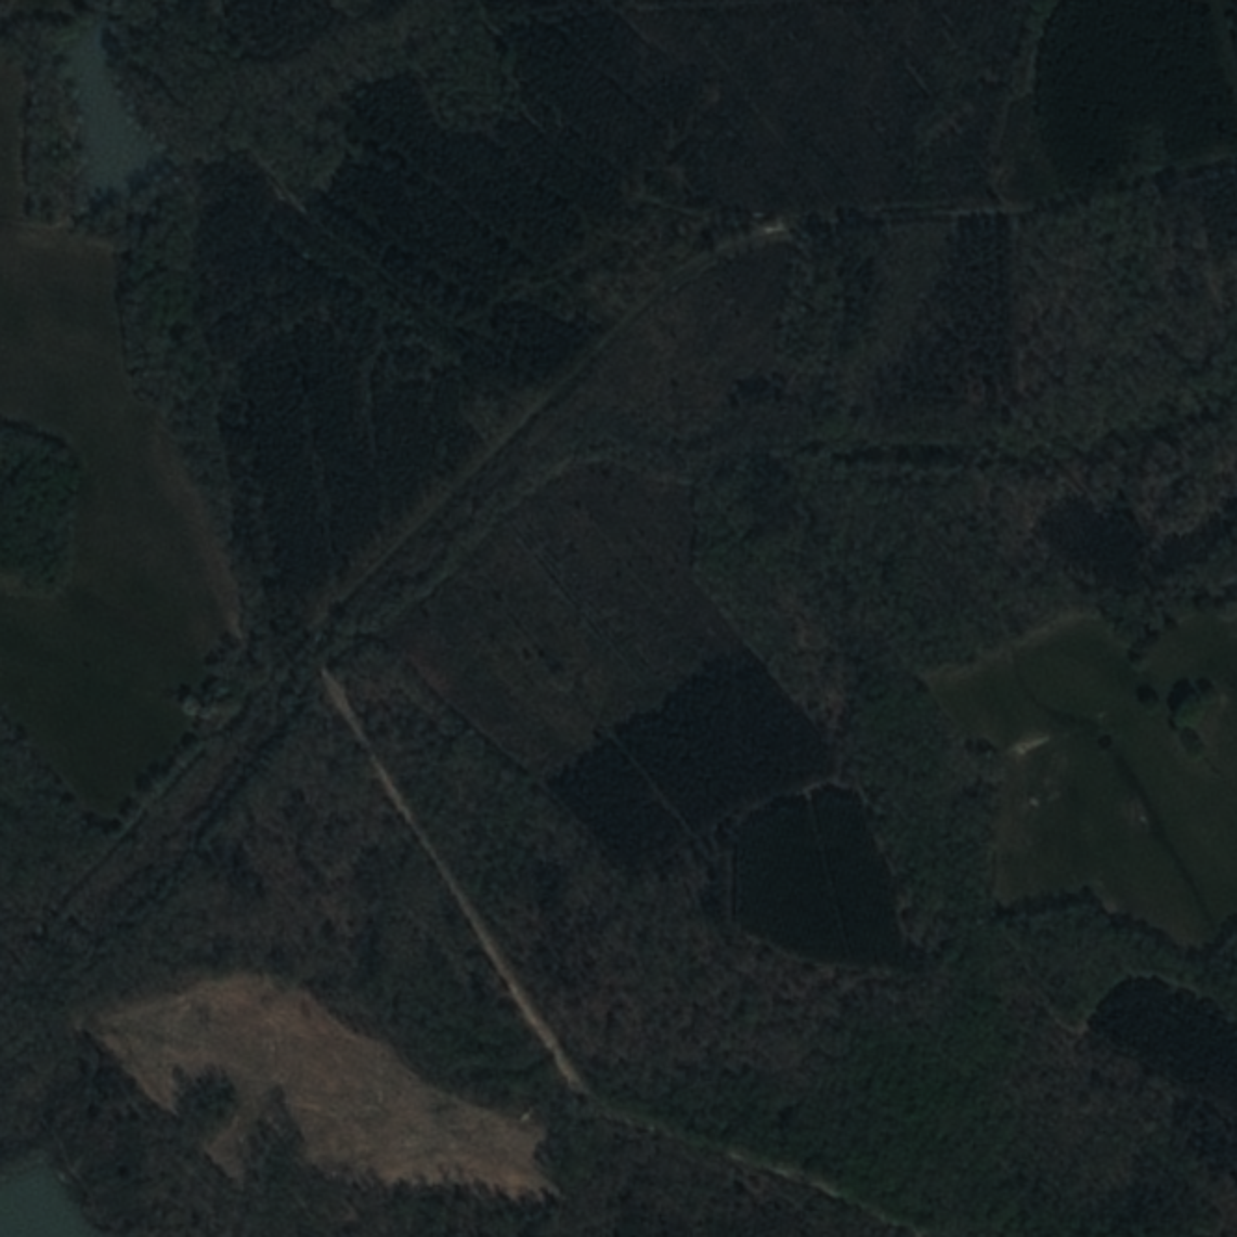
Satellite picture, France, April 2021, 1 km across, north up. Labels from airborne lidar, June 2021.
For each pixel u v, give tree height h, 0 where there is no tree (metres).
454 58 23
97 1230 7
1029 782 0
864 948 14
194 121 26
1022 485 18
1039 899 0
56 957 18
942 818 15
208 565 0
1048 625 17
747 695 11
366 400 12
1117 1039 12
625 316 12
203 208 8
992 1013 13
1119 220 21
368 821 13
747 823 10
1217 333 19
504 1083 25
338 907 8
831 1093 16
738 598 17
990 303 18
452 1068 24
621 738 12
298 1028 0
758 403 19
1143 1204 16
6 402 0
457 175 19
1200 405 24
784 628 25
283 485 17
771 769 14
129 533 0
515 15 13
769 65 7
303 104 24
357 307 21
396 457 16
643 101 14
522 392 23
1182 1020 7
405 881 16
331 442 17
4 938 19
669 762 14
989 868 23
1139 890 0
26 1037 25
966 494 20
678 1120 24
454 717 19
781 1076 12
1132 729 0
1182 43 18
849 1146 22
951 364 22
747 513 24
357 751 23
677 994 15
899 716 22
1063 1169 13
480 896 15
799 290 19
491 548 5
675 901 12
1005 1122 20
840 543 19
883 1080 19
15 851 22
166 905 20
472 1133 0
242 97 23
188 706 14
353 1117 0
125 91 9
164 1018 0
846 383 20
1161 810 0
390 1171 0
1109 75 16
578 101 16
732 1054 6
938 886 20
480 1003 24
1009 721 0
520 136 17
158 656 0
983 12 9
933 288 17
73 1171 9
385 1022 18
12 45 24
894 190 7
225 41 21
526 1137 0
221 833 16
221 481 19
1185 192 22
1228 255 20
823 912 15
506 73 14
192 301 17
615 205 18
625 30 14
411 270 19
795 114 10
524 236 17
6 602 0
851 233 25
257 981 15
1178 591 20
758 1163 20
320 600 14
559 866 9
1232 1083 11
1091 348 16
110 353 0
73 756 0
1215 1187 13
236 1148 0
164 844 10
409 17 24
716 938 12
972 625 22
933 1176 21
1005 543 18
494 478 8
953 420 20
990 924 21
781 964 7
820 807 12
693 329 5
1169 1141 9
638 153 15
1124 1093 10
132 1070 0
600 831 12
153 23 11
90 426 0
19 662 0
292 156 21
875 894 14
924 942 7
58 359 0
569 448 17
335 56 22
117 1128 10
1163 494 9
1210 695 16
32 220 16
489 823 20
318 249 11
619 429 14
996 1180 17
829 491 20
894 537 18
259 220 13
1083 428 20
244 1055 0
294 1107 21
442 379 16
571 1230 13
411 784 20
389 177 16
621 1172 11
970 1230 18
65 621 0
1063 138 16
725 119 9
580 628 7
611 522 0
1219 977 17
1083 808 0
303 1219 17
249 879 23
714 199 11
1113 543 13
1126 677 0
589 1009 10
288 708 16
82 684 0
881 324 23
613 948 10
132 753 0
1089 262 22
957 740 15
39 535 21
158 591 0
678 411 8
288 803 15
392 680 15
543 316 11
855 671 21
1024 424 17
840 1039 17
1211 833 0
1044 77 16
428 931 18
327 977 16
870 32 11
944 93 11
